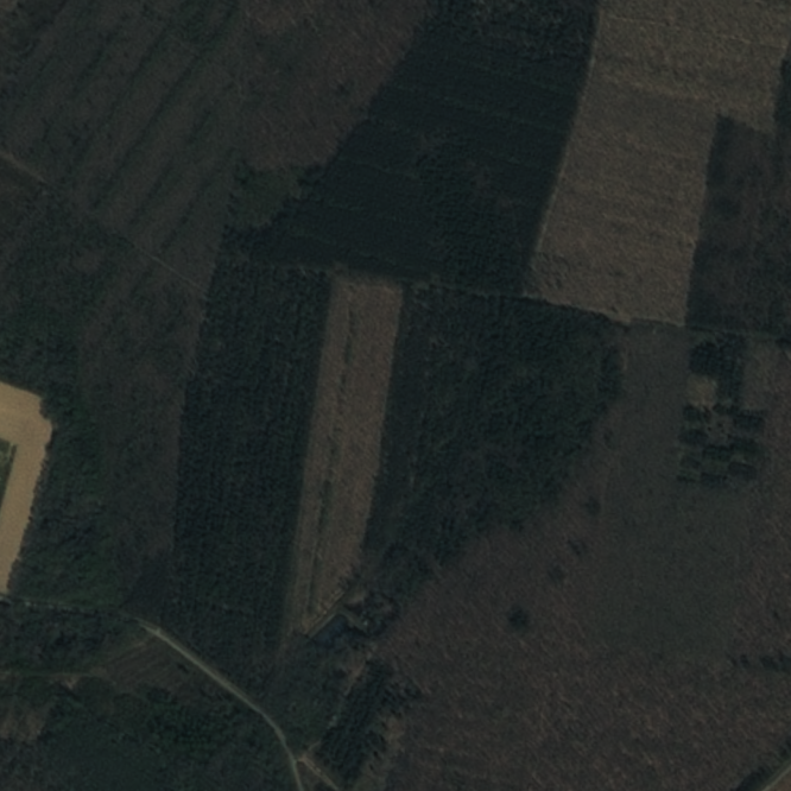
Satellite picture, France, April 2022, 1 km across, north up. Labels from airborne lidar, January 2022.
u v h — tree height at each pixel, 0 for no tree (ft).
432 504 59
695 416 58
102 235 51
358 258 64
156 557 50
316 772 0
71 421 62
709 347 23
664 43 0
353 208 63
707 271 61
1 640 84
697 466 32
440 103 53
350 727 44
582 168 0
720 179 60
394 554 44
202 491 57
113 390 50
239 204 71
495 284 46
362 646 76
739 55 0
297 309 57
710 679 61
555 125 61
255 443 58
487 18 52
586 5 59
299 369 58
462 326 60
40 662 84
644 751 63
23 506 0
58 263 52
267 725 69
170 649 0
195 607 43
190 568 56
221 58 0
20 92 48
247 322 62
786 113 64
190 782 92
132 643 62
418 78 55
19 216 0
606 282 0
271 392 55
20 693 0
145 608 50
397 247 63
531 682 61
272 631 55
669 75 0
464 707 46
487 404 63
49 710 0
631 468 42
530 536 62
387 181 62
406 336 55
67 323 67
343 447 0
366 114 53
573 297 0
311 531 0
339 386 0
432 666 56
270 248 61
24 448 0
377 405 0
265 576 55
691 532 46
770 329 50
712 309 58
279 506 50
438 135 54
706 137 0
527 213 56
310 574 0
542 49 63
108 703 0
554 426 79
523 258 55
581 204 0
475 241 67
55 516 62
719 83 0
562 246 0
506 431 80
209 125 57
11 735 0
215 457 64
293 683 69
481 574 64
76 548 77
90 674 0
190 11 52
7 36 0
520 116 58
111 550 65
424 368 59
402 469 58
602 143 0
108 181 46
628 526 47
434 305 59
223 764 77
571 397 57
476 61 58
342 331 0
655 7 0
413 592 58
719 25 0
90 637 68
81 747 63
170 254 58
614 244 0
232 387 46
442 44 59
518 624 67
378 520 58
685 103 0
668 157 0
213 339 47
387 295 0
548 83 53
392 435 57
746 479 24
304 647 59
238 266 57
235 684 47
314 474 0
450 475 55
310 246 64
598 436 68
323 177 83
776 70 0
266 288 52
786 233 55
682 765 65
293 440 60
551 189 57
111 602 64
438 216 74
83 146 43
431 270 59
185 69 0
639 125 0
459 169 62
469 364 85
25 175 0
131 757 59
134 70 0
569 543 67
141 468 49
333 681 43
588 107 0
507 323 64
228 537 65
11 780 48
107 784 67
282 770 77
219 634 47
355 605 0
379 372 0
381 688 35
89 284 54
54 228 51
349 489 0
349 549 0
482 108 59
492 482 63
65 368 66
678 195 0
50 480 54
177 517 55
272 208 42
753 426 63
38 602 78
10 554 0
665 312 0
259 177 61
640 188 0
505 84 60
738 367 48
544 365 80
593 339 74
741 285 56
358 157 64
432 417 61
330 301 57
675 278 0
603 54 0
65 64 51
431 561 51
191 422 58
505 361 70
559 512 64
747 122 0
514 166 54
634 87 0
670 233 0
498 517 61
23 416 0
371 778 0
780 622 69
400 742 0
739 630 56
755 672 68
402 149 59
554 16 52
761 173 52
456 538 73
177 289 51
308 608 0
